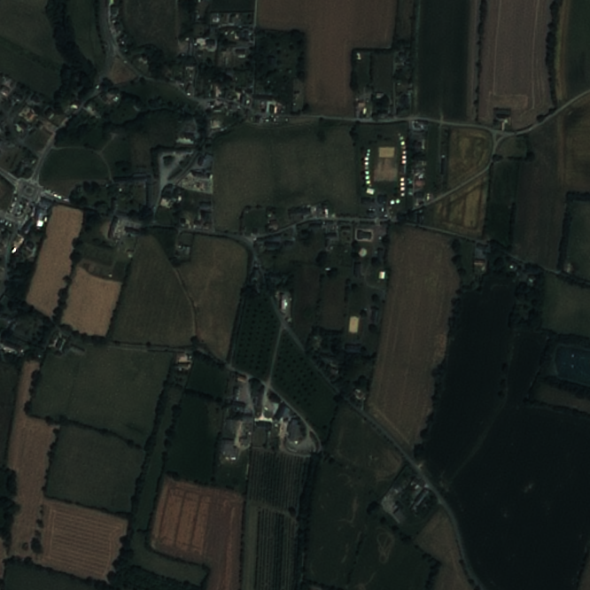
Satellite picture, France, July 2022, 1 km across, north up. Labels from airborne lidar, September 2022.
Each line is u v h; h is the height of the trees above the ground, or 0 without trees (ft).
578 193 19
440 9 0
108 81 26
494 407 0
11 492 46
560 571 0
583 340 22
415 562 0
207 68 35
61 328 26
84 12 0
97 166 0
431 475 0
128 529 27
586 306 0
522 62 0
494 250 46
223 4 0
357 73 21
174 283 0
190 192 0
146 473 21
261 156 0
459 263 45
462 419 0
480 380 0
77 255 48
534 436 0
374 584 0
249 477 20
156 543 0
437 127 0
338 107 0
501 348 0
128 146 0
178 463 0
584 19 0
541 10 0
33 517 0
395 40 20
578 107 0
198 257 0
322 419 0
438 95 0
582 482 0
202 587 37
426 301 0
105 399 0
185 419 0
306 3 0
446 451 0
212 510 0
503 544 0
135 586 20
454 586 0
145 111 23
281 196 0
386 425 0
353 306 0
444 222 0
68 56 59
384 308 0
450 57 0
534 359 0
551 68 31
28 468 0
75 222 0
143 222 80
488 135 0
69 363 0
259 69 27
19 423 0
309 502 47
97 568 0
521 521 0
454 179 0
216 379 0
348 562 0
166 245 0
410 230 0
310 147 0
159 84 0
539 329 30
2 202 0
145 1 0
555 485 0
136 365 0
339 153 0
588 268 0
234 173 0
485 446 0
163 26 0
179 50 0
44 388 0
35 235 29
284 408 0
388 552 0
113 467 0
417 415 0
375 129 0
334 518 0
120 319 0
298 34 36
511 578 0
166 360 0
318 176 0
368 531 0
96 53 0
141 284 0
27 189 0
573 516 0
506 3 0
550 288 0
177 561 22
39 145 0
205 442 0
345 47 0
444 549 0
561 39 0
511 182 0
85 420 0
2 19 0
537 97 0
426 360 0
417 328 0
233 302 0
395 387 0
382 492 0
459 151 0
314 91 0
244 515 22
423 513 20
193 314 0
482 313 0
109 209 26
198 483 18
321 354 25
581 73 0
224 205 0
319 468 36
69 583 0
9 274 23
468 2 0
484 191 0
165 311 0
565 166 0
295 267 0
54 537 0
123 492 0
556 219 0
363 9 0
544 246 0
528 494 0
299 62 31
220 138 0
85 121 20
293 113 28
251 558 0
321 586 19
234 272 0
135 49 39
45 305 0
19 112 0
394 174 0
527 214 0
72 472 0
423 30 0
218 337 0
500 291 0
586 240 0
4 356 23
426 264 0
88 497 0
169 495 0
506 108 0
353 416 0
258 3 0
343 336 25
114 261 0
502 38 0
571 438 0
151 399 0
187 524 0
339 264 0
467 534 0
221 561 0
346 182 0
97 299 0
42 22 0
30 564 55
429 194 0
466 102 0
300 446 0
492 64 0
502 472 0
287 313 0
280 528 19
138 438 0
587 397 38
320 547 0
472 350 0
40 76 0
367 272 0
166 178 0
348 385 27
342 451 0
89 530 0
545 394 0
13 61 0
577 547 0
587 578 0
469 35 0
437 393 42
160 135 0
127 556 51
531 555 0
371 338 0
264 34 23
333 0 0
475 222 0
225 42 34
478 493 0
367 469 0
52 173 0
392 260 0
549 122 0
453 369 0
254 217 0
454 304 49
